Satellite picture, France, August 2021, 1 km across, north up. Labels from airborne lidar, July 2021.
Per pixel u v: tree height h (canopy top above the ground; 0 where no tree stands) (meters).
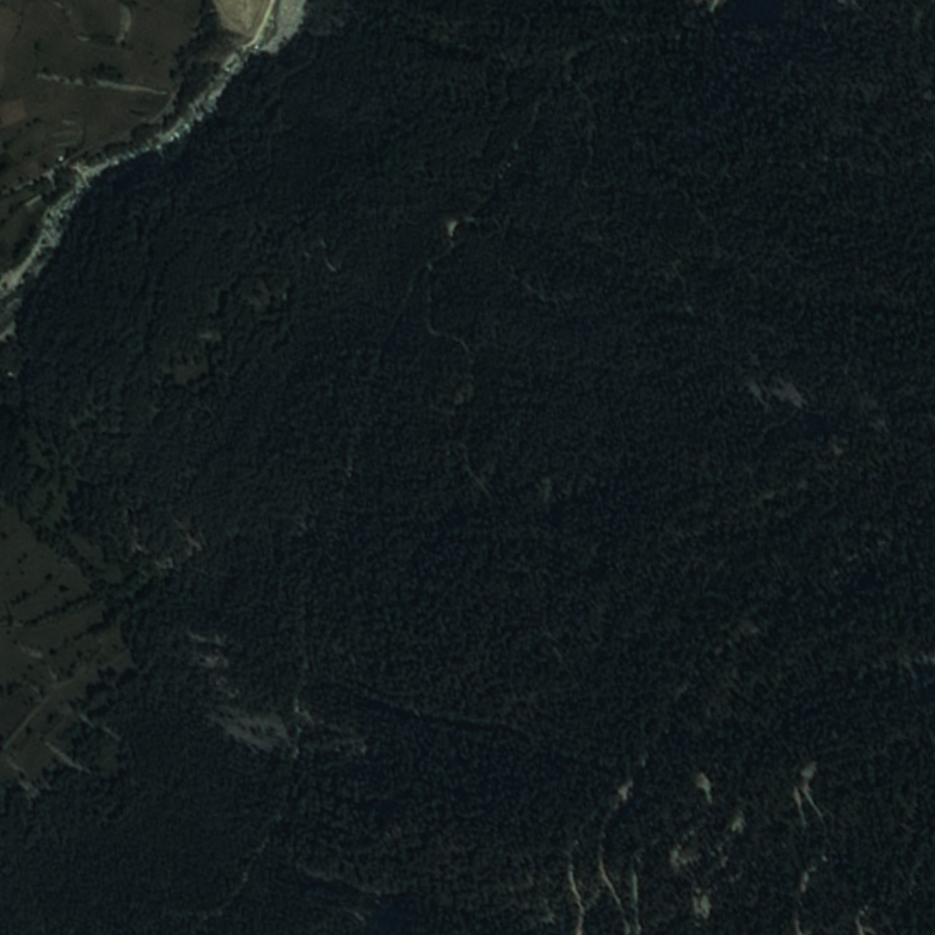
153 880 10
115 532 12
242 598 11
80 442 7
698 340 11
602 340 13
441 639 13
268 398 9
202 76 11
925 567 9
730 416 16
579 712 15
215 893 7
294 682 13
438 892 18
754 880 13
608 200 12
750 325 14
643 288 15
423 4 9
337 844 9
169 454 10
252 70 12
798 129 18
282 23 0
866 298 6
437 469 11
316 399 13
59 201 12
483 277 11
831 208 18
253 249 14
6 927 7
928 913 12
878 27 10
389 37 10
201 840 8
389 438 11
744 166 13
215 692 8
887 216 17
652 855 9
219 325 14
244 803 9
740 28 10
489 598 11
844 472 13
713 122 18
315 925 15
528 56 10
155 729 8
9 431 20
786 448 8
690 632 14
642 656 16
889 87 14
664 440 10
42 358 17
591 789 8
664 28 12
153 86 0
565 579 14
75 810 11
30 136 0
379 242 9
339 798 10
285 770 13
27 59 0
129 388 8
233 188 10
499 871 16
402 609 7
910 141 16
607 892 9
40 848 9
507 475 15
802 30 16
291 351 13
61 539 8
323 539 13
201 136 12
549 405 14
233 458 13
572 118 11
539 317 10
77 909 9
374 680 10
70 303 16
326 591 7
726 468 12
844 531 15
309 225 15
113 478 13
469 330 9
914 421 14
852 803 12
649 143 13
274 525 9
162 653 16
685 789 15
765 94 17
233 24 0
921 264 16
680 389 16
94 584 6
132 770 11
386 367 14
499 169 7
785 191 13
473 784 17
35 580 0
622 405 13
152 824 9
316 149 10
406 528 12
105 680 13
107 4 0
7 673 0
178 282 14
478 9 9
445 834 16
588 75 16
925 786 16
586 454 14
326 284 9
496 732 9
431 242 8
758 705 10
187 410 15
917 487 17
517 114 9
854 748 13
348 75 10
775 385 8
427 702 12
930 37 15
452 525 17
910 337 9
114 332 15
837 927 11
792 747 17
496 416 18
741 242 13
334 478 11
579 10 10
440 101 16
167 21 0
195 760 10
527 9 8
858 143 14
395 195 12
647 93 14
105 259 18
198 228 11
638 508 16
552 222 10
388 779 10
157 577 7
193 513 13
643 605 14
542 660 17
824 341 13
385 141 10
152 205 16
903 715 12
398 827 10
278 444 7
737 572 8
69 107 0
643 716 9
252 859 5
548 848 16
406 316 7
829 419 7
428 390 7
